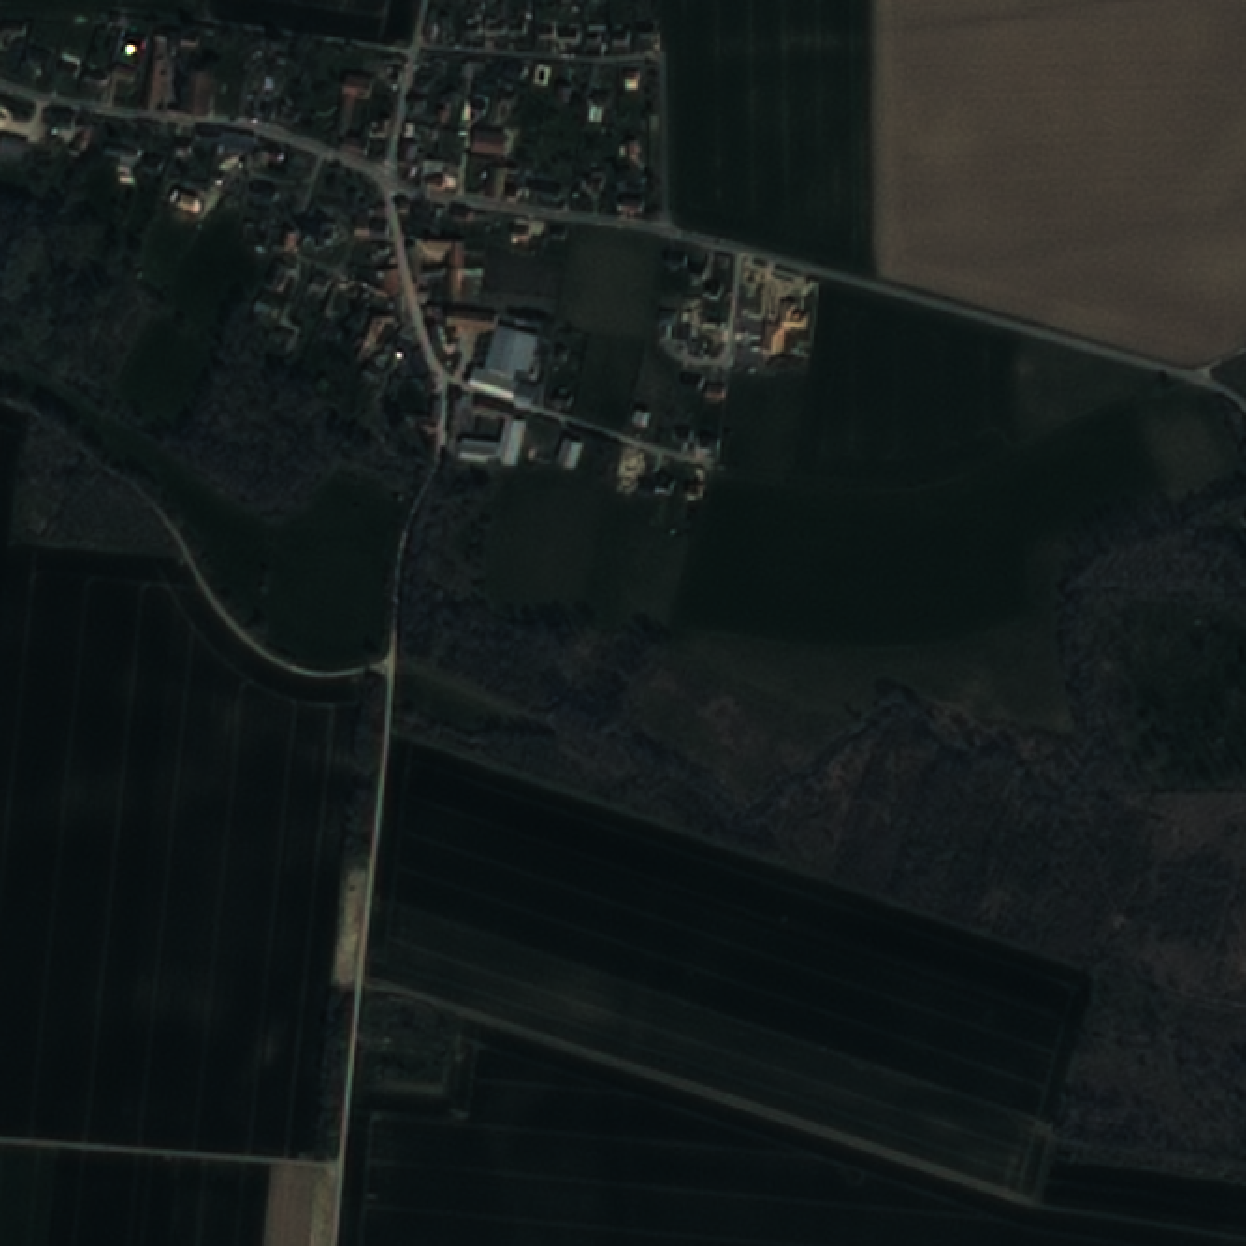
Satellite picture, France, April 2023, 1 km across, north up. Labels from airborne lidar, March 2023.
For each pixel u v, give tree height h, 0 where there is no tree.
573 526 0
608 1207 0
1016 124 0
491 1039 0
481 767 0
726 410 0
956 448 0
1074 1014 0
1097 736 18
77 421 19
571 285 0
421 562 18
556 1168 0
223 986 0
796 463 0
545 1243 0
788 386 0
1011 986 0
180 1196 0
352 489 0
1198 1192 0
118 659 0
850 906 0
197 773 0
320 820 0
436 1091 0
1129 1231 0
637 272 0
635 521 0
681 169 0
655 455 0
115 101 0
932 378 0
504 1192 0
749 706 0
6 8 0
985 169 0
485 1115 0
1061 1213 0
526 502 0
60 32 0
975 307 0
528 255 0
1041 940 13
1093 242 0
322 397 30
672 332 0
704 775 8
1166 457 0
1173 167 0
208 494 0
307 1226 0
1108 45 0
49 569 0
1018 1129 0
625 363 0
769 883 0
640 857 0
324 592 0
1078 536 0
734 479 0
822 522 0
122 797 0
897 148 0
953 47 0
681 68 0
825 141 0
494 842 0
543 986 0
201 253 0
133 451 0
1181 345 0
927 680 0
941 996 0
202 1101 0
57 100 0
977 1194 0
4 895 0
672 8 0
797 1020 0
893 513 0
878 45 0
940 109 0
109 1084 0
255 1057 0
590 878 0
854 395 0
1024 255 0
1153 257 0
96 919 0
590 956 0
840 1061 0
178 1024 0
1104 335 0
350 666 0
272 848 0
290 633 0
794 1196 0
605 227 0
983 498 0
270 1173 0
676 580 0
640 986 0
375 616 0
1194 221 0
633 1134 0
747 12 0
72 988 0
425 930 0
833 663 0
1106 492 0
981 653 0
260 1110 0
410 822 0
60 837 0
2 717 0
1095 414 0
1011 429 0
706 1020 0
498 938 0
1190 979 0
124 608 0
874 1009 0
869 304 0
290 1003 0
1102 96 0
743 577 0
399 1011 0
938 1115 0
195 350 0
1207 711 0
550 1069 0
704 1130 0
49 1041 0
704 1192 0
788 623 0
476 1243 0
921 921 0
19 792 0
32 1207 0
